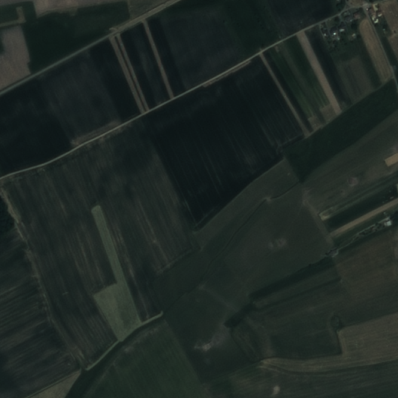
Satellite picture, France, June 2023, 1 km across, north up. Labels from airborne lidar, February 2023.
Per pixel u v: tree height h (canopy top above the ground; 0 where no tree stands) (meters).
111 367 0
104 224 0
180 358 0
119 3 0
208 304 0
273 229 0
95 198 0
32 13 0
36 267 0
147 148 0
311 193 0
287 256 0
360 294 0
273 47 0
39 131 0
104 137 0
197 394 0
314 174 0
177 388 0
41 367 0
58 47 0
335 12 0
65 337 0
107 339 0
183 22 0
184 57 0
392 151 0
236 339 0
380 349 0
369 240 0
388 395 0
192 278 0
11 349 0
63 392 0
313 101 0
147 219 0
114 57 0
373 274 0
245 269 0
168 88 0
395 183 0
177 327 0
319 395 0
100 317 0
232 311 0
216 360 0
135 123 0
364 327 0
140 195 0
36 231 0
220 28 0
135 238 0
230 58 0
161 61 0
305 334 0
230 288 0
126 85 0
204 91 0
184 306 0
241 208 0
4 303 0
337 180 0
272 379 0
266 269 0
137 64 0
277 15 0
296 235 0
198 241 0
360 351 0
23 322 0
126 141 0
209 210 0
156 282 0
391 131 0
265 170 0
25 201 0
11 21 0
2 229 26
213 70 0
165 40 0
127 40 0
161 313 0
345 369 0
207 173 0
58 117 0
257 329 0
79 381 0
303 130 0
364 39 0
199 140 0
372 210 0
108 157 0
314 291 0
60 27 0
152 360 0
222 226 0
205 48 0
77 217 0
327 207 0
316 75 0
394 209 0
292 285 0
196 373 0
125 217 0
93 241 0
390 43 0
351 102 0
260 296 0
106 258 0
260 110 0
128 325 0
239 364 0
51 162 0
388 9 0
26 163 0
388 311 0
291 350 0
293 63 0
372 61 0
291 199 0
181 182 0
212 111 0
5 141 0
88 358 0
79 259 0
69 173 0
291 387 0
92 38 0
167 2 0
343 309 0
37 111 0
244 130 0
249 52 0
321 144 0
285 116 0
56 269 0
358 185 0
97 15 0
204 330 0
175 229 0
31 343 0
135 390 0
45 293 0
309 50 0
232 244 0
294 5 0
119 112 0
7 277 0
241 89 0
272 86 0
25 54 0
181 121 0
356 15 0
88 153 0
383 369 0
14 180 0
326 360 0
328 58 0
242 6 0
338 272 0
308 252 0
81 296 0
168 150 0
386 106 0
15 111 0
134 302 0
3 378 0
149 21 0
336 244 0
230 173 0
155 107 0
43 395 0
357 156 0
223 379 0
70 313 0
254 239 0
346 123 0
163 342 0
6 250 0
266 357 0
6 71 0
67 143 0
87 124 0
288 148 0
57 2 0
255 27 0
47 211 0
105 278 0
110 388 0
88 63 0
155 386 0
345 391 0
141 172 0
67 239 0
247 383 0
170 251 0
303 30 0
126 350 0
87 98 0
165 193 0
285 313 0
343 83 0
